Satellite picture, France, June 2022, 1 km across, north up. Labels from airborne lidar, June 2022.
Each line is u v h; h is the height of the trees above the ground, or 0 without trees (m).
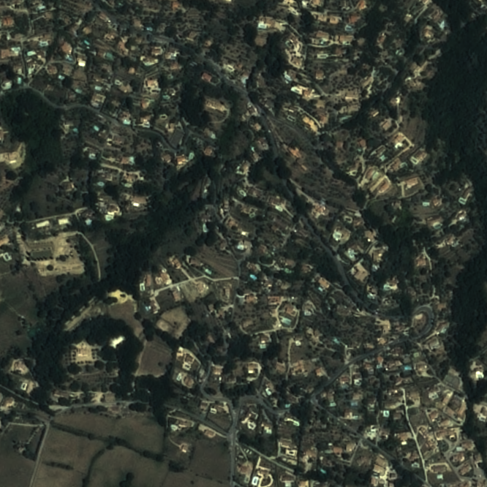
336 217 7
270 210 14
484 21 21
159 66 7
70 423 0
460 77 25
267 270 11
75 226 14
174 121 7
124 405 0
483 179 17
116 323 17
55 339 25
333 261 12
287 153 8
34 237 0
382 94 11
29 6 7
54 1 8
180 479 0
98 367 16
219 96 11
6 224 9
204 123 11
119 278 19
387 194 0
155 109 11
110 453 0
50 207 7
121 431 0
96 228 10
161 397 15
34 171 11
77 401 12
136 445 0
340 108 13
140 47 8
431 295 5
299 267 12
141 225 8
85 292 20
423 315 0
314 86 6
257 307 6
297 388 13
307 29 15
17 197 13
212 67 6
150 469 0
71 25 7
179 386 8
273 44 15
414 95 7
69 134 7
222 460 0
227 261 0
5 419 11
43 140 7
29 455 13
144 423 0
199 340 11
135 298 12
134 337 16
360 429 11
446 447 0
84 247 7
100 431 0
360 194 15
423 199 10
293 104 7
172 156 6
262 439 7
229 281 0
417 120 0
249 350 10
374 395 7
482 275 13
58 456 0
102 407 12
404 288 15
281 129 5
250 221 7
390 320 8
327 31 8
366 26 10
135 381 9
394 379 14
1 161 0
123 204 12
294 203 11
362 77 6
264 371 9
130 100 14
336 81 5
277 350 13
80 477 0
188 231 14
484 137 21
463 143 19
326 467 8
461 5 20
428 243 6
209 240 18
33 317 0
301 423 9
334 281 17
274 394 11
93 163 13
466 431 16
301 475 11
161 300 0
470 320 14
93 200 18
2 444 0
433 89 14
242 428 0
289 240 7
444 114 16
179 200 16
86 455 0
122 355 15
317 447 9
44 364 19
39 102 7
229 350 9
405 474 16
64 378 16
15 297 0
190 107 23
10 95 8
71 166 10
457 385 0
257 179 17
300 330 8
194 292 0
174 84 9
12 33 9
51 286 0
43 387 17
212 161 16
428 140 13
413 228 8
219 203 14
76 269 0
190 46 9
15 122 14
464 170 13
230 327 14
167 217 9
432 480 0
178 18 8
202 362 8
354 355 10
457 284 10
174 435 0
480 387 12
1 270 0
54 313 23
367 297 13
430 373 6
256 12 8
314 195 14
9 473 0
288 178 21
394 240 20
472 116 12
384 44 7
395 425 7
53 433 0
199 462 0
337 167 9
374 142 20
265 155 10
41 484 0
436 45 11
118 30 11
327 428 6
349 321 6
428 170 5
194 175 21
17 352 14
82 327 13
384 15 9
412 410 0
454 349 9
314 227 15
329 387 8
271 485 0
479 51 19
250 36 16
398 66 14
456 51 18
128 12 9
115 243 10
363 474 8
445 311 9
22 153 0
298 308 10
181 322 0
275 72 15
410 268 18
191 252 12
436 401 0
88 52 7
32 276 0
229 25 11
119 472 0
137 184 9
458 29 19
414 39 16
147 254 7
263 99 6
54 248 0
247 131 7
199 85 6
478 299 17
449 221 7
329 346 8
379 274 16
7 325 0
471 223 12
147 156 6
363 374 15
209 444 0
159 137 7
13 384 20
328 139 21
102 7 11
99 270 0
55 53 6
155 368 0
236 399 10
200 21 6
